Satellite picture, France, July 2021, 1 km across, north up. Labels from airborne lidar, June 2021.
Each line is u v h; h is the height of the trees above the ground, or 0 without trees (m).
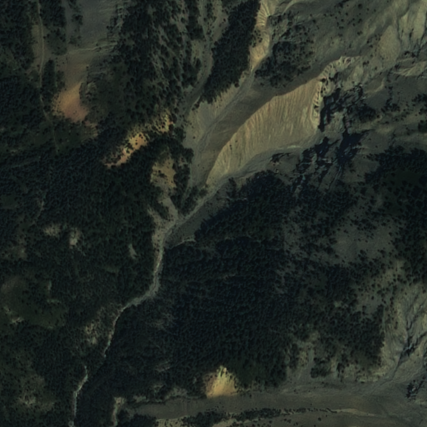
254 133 0
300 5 0
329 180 0
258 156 0
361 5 8
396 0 0
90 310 17
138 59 8
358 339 7
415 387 0
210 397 0
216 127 0
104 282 9
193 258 21
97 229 7
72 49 0
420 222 8
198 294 18
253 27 8
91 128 0
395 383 0
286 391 0
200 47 0
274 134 0
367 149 0
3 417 18
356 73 0
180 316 26
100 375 15
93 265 13
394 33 0
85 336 7
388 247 0
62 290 18
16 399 6
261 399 0
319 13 0
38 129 10
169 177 0
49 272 13
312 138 0
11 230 10
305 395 0
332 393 0
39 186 10
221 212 6
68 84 0
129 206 7
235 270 14
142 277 13
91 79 0
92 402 16
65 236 14
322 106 0
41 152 8
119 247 10
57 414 11
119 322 9
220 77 9
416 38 0
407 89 0
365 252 7
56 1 16
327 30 0
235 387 6
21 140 9
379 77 0
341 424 0
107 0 0
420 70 0
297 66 8
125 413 11
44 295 11
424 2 0
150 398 7
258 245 18
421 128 9
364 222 9
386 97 0
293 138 0
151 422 14
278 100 0
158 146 24
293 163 0
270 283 11
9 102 12
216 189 0
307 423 0
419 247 9
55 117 6
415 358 0
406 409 0
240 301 8
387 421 0
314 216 11
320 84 0
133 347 22
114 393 12
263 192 10
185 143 0
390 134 0
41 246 9
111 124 8
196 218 0
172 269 14
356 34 0
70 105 0
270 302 9
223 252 24
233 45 7
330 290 11
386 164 12
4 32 15
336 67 0
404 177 0
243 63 7
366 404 0
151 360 18
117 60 11
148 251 9
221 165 0
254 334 20
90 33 0
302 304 7
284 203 9
